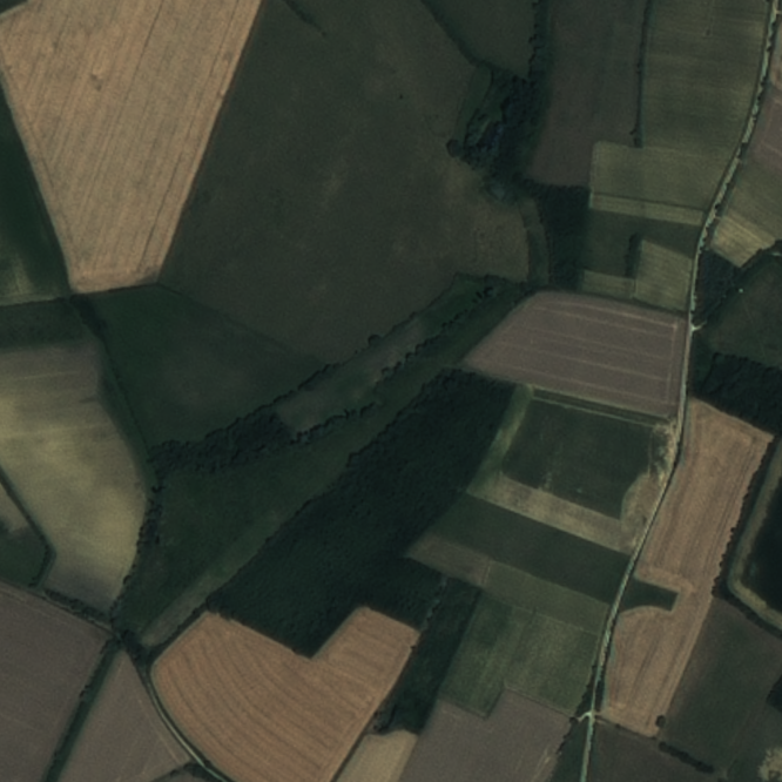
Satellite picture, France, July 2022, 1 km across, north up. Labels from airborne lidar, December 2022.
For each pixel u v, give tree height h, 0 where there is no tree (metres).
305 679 0
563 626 0
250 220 0
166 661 0
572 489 0
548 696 0
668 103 0
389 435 12
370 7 0
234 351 0
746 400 17
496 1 0
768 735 0
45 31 0
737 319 0
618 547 0
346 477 7
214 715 0
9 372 0
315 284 0
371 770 0
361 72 0
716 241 0
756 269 6
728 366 12
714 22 0
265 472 0
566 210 13
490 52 0
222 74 0
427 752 0
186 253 0
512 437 0
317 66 0
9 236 0
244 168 0
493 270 0
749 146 7
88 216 0
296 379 0
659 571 0
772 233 0
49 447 0
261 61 0
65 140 0
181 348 0
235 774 0
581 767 0
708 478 0
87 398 0
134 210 0
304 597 5
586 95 0
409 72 0
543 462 0
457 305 0
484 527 0
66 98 0
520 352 0
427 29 0
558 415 0
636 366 0
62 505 0
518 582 0
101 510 0
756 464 0
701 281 9
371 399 0
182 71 0
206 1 0
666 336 0
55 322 0
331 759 0
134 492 0
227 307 0
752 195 0
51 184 0
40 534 6
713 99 0
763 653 0
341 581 6
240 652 0
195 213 0
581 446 0
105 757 0
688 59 0
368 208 0
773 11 0
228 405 0
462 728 0
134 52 0
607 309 0
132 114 0
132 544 0
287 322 0
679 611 0
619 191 0
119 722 0
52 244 0
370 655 0
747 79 0
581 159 0
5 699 0
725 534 0
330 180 0
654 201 0
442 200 0
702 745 0
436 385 13
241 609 6
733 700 0
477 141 16
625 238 0
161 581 0
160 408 0
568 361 0
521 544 0
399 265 0
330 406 0
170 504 0
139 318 0
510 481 0
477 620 0
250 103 0
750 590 0
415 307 0
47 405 0
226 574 0
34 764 0
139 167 0
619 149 0
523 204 0
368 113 0
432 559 0
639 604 0
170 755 0
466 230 0
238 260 0
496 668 0
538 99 24
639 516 0
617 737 0
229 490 0
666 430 0
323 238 0
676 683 0
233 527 0
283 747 0
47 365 0
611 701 0
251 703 0
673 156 0
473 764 0
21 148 0
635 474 0
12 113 0
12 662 0
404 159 0
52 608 0
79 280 0
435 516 6
